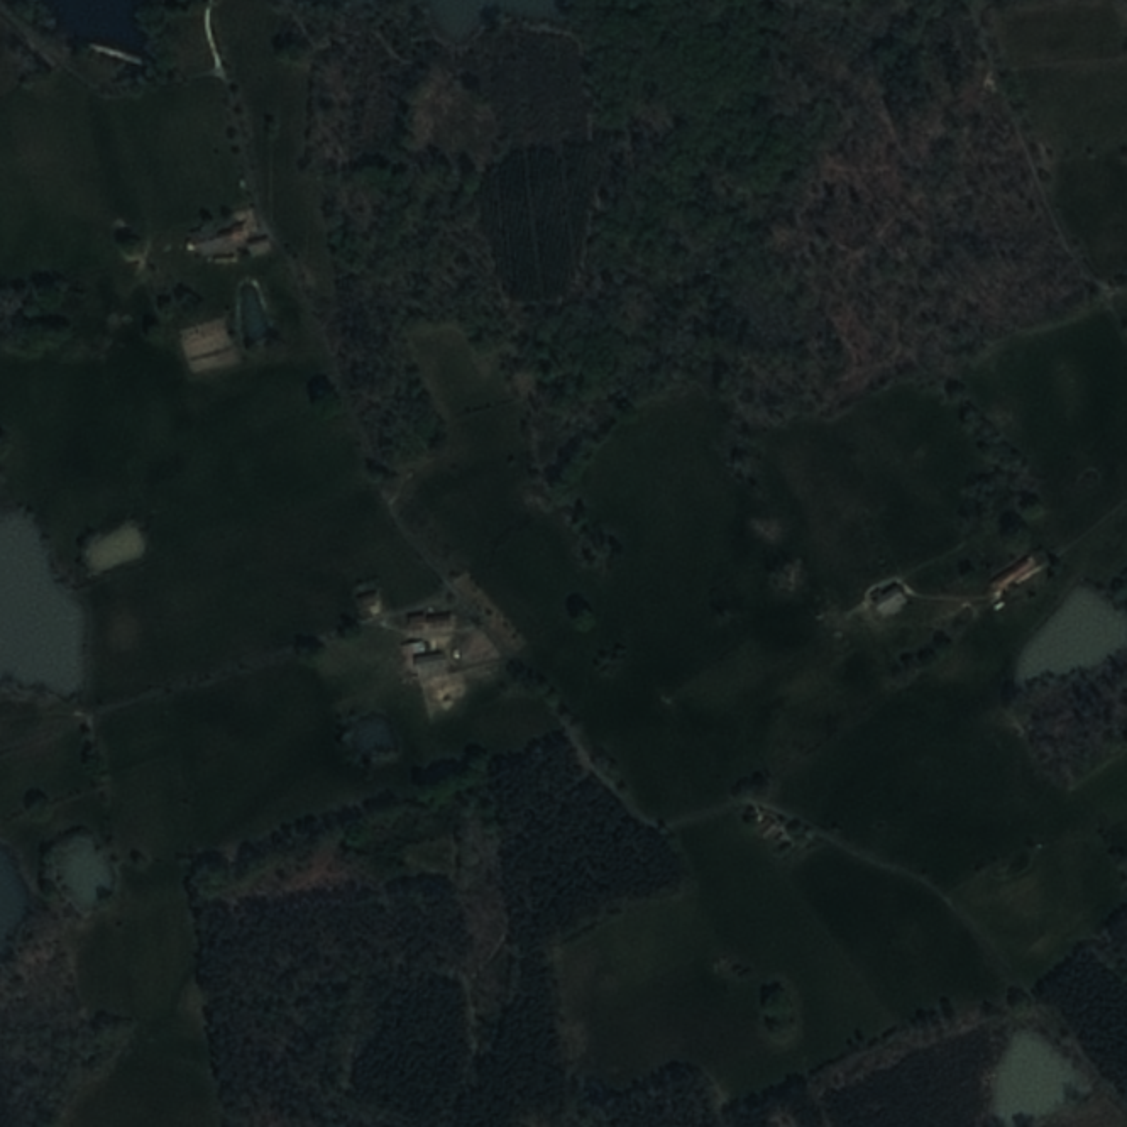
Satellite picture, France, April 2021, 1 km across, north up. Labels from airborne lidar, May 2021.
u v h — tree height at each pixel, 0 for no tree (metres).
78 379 0
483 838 14
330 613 0
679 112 20
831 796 0
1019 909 0
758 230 21
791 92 16
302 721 0
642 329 16
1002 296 11
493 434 0
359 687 0
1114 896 0
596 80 20
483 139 0
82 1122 0
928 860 0
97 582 0
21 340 25
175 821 0
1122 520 0
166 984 0
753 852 0
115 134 0
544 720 0
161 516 0
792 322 17
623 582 0
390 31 8
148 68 15
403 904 25
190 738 0
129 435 0
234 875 22
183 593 0
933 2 19
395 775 0
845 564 0
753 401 17
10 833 0
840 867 0
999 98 0
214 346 0
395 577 0
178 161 0
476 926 11
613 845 18
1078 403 0
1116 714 12
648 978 0
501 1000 9
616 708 0
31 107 0
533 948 16
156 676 0
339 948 21
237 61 0
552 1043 15
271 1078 26
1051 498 0
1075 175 0
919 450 0
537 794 17
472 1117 18
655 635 0
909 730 0
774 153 23
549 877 17
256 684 0
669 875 17
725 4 22
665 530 0
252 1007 21
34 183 0
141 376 0
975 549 0
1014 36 0
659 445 0
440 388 0
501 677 0
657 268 19
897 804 0
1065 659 0
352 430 0
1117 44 0
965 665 0
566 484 20
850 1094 6
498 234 9
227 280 0
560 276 8
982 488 14
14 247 0
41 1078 18
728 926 0
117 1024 14
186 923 0
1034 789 0
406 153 23
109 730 0
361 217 15
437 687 0
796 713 0
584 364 24
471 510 0
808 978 0
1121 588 12
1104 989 17
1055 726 10
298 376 0
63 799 6
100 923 0
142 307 0
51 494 0
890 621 0
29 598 0
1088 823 0
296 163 0
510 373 10
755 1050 0
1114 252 0
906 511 0
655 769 0
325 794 0
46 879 11
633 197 13
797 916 0
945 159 21
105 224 0
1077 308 13
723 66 20
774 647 0
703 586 0
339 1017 24
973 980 0
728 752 0
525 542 0
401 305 13
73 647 0
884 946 0
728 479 0
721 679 0
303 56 16
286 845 15
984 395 0
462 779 20
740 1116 16
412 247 18
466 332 13
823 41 7
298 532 0
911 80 25
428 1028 17
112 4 0
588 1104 13
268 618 0
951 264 15
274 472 0
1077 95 0
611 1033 0
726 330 26
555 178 10
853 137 6
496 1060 16
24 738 0
